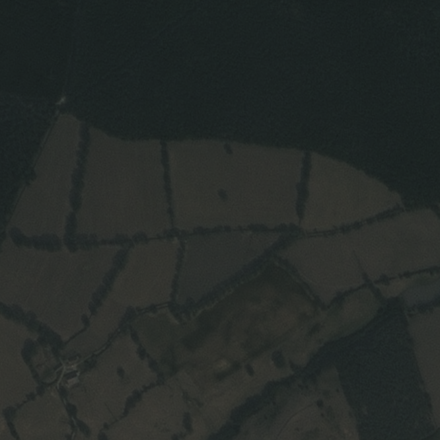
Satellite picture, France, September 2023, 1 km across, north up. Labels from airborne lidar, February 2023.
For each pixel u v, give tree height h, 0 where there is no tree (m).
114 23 18
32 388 0
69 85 19
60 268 0
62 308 0
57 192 0
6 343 0
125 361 0
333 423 0
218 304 0
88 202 0
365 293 0
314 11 26
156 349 0
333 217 0
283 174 0
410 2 25
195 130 26
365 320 0
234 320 0
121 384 0
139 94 29
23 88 10
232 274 0
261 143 20
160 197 0
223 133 23
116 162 0
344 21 27
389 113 27
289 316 0
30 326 23
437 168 28
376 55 31
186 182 0
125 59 27
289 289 0
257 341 0
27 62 10
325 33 28
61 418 0
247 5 28
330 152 24
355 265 0
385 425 10
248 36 26
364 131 26
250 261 0
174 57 26
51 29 7
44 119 8
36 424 0
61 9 6
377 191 0
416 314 0
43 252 0
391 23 20
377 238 0
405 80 26
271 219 0
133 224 0
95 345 0
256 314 0
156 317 0
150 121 25
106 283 16
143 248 0
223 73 28
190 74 26
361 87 31
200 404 0
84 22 19
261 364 0
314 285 0
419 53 24
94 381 0
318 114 27
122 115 28
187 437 0
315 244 0
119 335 12
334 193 0
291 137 26
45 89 7
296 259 0
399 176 22
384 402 11
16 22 8
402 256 0
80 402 0
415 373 12
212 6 25
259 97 29
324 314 0
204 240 0
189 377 0
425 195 26
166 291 0
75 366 0
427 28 25
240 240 0
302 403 0
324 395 0
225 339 0
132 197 0
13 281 0
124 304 0
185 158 0
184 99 31
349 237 0
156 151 0
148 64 26
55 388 0
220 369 0
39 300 0
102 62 23
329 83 28
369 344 13
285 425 0
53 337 21
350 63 31
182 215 0
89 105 27
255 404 20
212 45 24
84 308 0
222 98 29
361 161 28
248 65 29
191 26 28
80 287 0
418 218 0
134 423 0
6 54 7
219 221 0
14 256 0
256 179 0
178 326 0
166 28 22
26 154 32
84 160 18
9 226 0
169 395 0
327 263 0
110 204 0
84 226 0
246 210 0
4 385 0
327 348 6
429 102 28
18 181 26
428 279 0
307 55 25
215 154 0
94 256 0
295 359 0
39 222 0
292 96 29
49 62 10
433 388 0
